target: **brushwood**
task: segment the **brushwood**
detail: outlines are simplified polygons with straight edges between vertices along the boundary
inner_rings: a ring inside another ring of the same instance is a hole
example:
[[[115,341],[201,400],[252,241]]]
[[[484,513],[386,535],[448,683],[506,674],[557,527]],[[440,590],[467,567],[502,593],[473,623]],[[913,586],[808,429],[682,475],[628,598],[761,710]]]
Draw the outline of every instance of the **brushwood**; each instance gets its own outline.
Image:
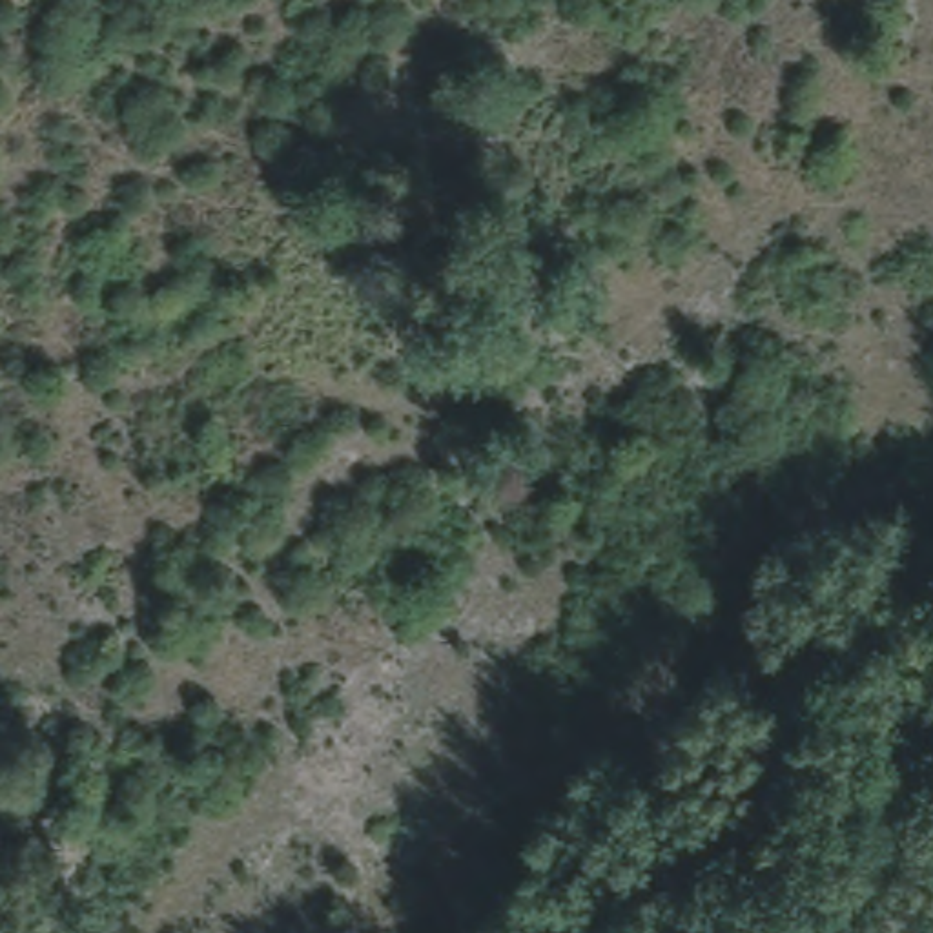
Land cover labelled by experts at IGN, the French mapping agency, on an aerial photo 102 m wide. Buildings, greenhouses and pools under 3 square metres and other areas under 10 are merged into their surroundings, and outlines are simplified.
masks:
[[[11,295],[18,295],[26,306],[44,306],[44,295],[69,295],[87,321],[106,321],[120,332],[131,332],[131,350],[109,354],[102,364],[95,364],[91,379],[84,383],[91,394],[102,397],[106,390],[120,386],[124,375],[146,364],[182,372],[179,383],[149,386],[131,397],[135,415],[128,419],[128,430],[113,430],[109,423],[91,426],[95,459],[102,467],[124,467],[135,474],[124,485],[124,499],[138,499],[146,488],[153,488],[157,499],[200,492],[200,518],[193,525],[175,528],[168,521],[146,521],[142,536],[153,543],[160,572],[171,569],[204,594],[211,594],[215,587],[248,587],[251,576],[262,576],[270,594],[284,605],[281,620],[266,620],[259,612],[255,620],[241,623],[255,641],[292,634],[302,620],[324,612],[332,598],[361,587],[364,572],[390,561],[394,550],[405,547],[430,554],[434,576],[452,569],[456,561],[474,561],[481,558],[488,532],[518,561],[521,572],[532,576],[550,565],[561,572],[565,594],[558,601],[554,627],[536,631],[510,652],[532,671],[569,674],[579,682],[587,678],[587,671],[579,667],[579,652],[594,641],[590,620],[598,612],[598,601],[623,598],[631,587],[652,587],[667,609],[678,609],[685,616],[711,612],[711,587],[685,554],[685,543],[692,536],[714,536],[714,525],[696,510],[703,496],[729,488],[729,481],[743,470],[773,467],[791,452],[809,448],[816,434],[842,437],[853,415],[853,375],[795,375],[795,354],[787,354],[791,339],[762,324],[758,317],[769,306],[780,306],[784,313],[791,313],[791,324],[798,328],[846,332],[846,310],[860,295],[860,288],[897,284],[915,299],[933,295],[933,251],[915,251],[900,266],[878,266],[867,251],[871,222],[835,219],[816,233],[827,241],[820,251],[798,251],[787,262],[769,262],[758,270],[758,281],[743,299],[733,295],[733,324],[703,324],[682,313],[678,306],[667,310],[663,317],[674,350],[663,361],[638,364],[612,390],[587,386],[583,415],[550,419],[547,437],[539,445],[547,448],[547,470],[539,477],[532,477],[528,470],[514,470],[499,492],[485,492],[481,485],[467,485],[459,477],[426,474],[415,456],[397,456],[386,463],[354,463],[343,481],[313,485],[310,514],[292,532],[284,503],[292,474],[317,474],[313,463],[332,445],[332,437],[350,430],[372,434],[383,423],[383,415],[364,405],[335,397],[306,397],[292,379],[255,379],[255,364],[248,364],[244,339],[237,332],[281,292],[270,281],[237,292],[215,288],[211,270],[222,259],[211,255],[208,237],[197,237],[179,251],[164,251],[168,266],[179,266],[179,288],[160,292],[157,299],[120,299],[117,306],[102,310],[106,281],[138,281],[153,273],[153,259],[142,251],[138,237],[128,237],[120,226],[80,244],[66,237],[66,226],[73,219],[95,208],[84,197],[87,164],[77,149],[80,128],[58,109],[44,113],[36,124],[40,149],[51,160],[51,171],[40,171],[47,190],[36,197],[18,197],[15,208],[4,208],[0,200],[0,277],[7,281]]]
[[[386,91],[397,77],[386,73],[386,55],[408,44],[419,22],[437,18],[456,22],[463,29],[477,29],[492,36],[496,51],[503,55],[507,44],[528,36],[539,26],[539,7],[532,0],[0,0],[0,69],[15,77],[18,69],[26,69],[26,77],[40,80],[44,95],[55,102],[73,98],[87,87],[87,113],[102,117],[98,138],[124,142],[135,153],[138,168],[160,164],[171,153],[179,153],[193,128],[204,120],[219,124],[222,131],[244,124],[251,160],[262,168],[288,138],[288,117],[310,124],[321,135],[332,131],[332,109],[324,91],[343,77],[361,84],[368,95]]]
[[[904,62],[900,33],[911,29],[911,15],[900,0],[882,0],[871,11],[871,22],[882,29],[882,36],[871,55],[856,58],[864,66],[867,84],[889,84]]]
[[[802,55],[780,73],[773,120],[751,124],[743,117],[733,128],[733,135],[736,142],[751,142],[751,149],[762,160],[773,164],[773,171],[802,175],[802,182],[809,182],[813,190],[835,197],[846,182],[853,182],[860,157],[856,149],[846,149],[838,142],[842,120],[820,117],[824,102],[816,95],[798,95],[805,80],[816,77],[813,55]]]
[[[645,33],[660,29],[663,22],[689,15],[714,18],[718,7],[729,15],[733,26],[762,22],[758,0],[587,0],[572,15],[576,29],[605,33],[620,47],[634,51],[645,40]]]
[[[58,408],[62,401],[62,372],[18,383],[0,372],[0,441],[18,441],[18,452],[29,463],[51,470],[55,456],[47,448],[58,441],[58,430],[51,408]]]

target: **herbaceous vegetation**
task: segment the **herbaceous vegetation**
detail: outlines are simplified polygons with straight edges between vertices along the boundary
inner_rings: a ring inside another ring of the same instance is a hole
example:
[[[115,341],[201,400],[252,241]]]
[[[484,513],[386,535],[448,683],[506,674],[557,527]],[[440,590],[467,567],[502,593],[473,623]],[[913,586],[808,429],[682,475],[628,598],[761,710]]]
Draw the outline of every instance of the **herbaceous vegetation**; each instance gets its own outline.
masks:
[[[15,813],[0,809],[0,860],[26,860],[29,849],[22,842]]]
[[[853,375],[853,415],[842,437],[816,434],[809,448],[791,452],[773,467],[743,470],[729,481],[729,488],[703,496],[696,510],[714,525],[714,536],[692,536],[685,543],[685,554],[711,587],[711,612],[685,616],[678,609],[667,609],[652,587],[631,587],[623,598],[598,601],[598,612],[590,620],[594,641],[579,652],[579,667],[587,671],[587,678],[579,682],[569,674],[532,671],[510,652],[536,631],[554,627],[558,601],[565,594],[561,572],[550,565],[532,576],[521,572],[518,561],[488,532],[481,558],[474,561],[474,583],[456,598],[456,620],[430,634],[423,645],[405,645],[401,634],[386,627],[383,609],[368,605],[368,594],[361,587],[332,598],[324,612],[302,620],[292,634],[255,641],[241,623],[255,620],[259,612],[266,620],[281,620],[284,605],[270,594],[262,576],[251,576],[248,587],[251,601],[241,601],[233,609],[233,623],[222,627],[222,638],[211,656],[168,663],[157,652],[160,638],[149,641],[135,631],[135,587],[128,572],[128,554],[142,536],[146,521],[168,521],[175,528],[193,525],[200,518],[200,492],[157,499],[153,488],[146,488],[138,499],[124,499],[124,485],[135,474],[124,467],[102,467],[95,459],[91,426],[109,423],[113,430],[128,430],[128,419],[135,415],[131,397],[149,386],[179,383],[182,372],[146,364],[124,375],[120,386],[106,390],[102,397],[91,394],[84,383],[91,379],[95,364],[102,364],[109,354],[131,350],[131,332],[120,332],[106,321],[87,321],[69,295],[44,295],[44,306],[26,306],[18,295],[11,295],[7,281],[0,277],[0,372],[18,383],[62,372],[62,401],[58,408],[51,408],[58,430],[58,441],[47,448],[55,456],[51,470],[29,463],[18,452],[18,441],[0,441],[0,769],[11,773],[22,762],[22,754],[51,751],[58,743],[95,740],[102,747],[120,747],[131,736],[160,743],[171,762],[193,765],[219,758],[241,765],[255,762],[262,769],[237,820],[193,816],[190,838],[175,849],[175,867],[146,886],[153,907],[138,911],[135,904],[128,904],[124,915],[131,915],[131,926],[149,933],[463,933],[467,904],[474,893],[488,893],[492,867],[514,835],[514,813],[536,791],[532,776],[543,765],[554,765],[590,729],[645,725],[660,707],[674,703],[703,674],[725,667],[743,674],[762,671],[754,645],[747,641],[747,620],[733,609],[729,587],[733,579],[740,579],[747,550],[765,525],[787,521],[795,514],[827,510],[831,503],[849,496],[867,499],[893,488],[933,492],[933,295],[915,299],[897,284],[860,288],[860,295],[846,310],[846,332],[798,328],[791,324],[791,313],[784,313],[780,306],[769,306],[758,317],[762,324],[791,339],[787,354],[795,354],[795,375]]]
[[[397,456],[415,456],[426,474],[459,477],[481,459],[492,434],[528,434],[539,445],[547,437],[550,419],[583,415],[587,386],[612,390],[638,364],[663,361],[674,350],[663,317],[667,310],[678,306],[682,313],[703,324],[733,324],[733,295],[743,299],[758,281],[758,270],[769,262],[787,262],[798,251],[820,251],[827,241],[816,233],[835,219],[871,222],[867,251],[878,266],[900,266],[915,251],[933,251],[933,0],[900,0],[911,15],[911,29],[900,33],[904,62],[889,84],[867,84],[864,66],[856,58],[871,55],[882,36],[882,29],[871,22],[871,11],[882,0],[758,0],[762,22],[733,26],[729,15],[718,7],[714,18],[689,15],[663,22],[660,29],[645,33],[645,40],[634,51],[638,58],[674,66],[682,73],[678,84],[692,135],[678,138],[674,153],[692,164],[696,208],[707,222],[700,255],[682,270],[656,270],[649,259],[638,259],[638,266],[623,273],[620,262],[605,255],[612,310],[605,321],[612,328],[612,343],[598,346],[587,335],[579,361],[583,372],[528,394],[518,408],[510,397],[496,390],[430,394],[415,386],[408,394],[397,394],[379,386],[372,375],[379,361],[397,357],[401,335],[372,335],[354,328],[354,281],[328,270],[328,248],[310,244],[306,230],[295,226],[295,211],[277,204],[281,193],[292,193],[288,179],[295,171],[306,171],[313,157],[335,157],[346,164],[364,146],[405,142],[419,149],[445,146],[448,153],[459,153],[467,146],[485,146],[488,135],[448,120],[437,109],[434,91],[445,77],[477,73],[507,58],[507,66],[539,69],[539,87],[558,95],[561,87],[583,87],[590,73],[609,69],[620,47],[605,33],[576,29],[572,15],[587,0],[532,0],[539,7],[539,26],[528,36],[507,44],[503,55],[496,51],[492,36],[477,29],[463,29],[456,22],[437,18],[419,22],[408,44],[386,55],[386,73],[397,77],[386,91],[368,95],[361,84],[343,77],[324,91],[332,109],[332,131],[321,135],[310,124],[288,117],[288,138],[262,168],[251,160],[244,124],[222,131],[219,124],[204,120],[193,128],[179,153],[171,153],[160,164],[138,168],[135,153],[124,142],[98,138],[102,117],[87,113],[87,87],[73,98],[55,102],[44,95],[40,80],[26,77],[26,69],[18,69],[15,77],[0,69],[0,200],[4,208],[15,208],[18,197],[36,197],[47,190],[40,171],[51,171],[51,160],[40,149],[36,124],[44,113],[58,109],[80,128],[77,149],[87,164],[84,197],[95,208],[73,219],[66,226],[66,237],[80,244],[120,226],[128,237],[138,237],[142,251],[153,259],[153,273],[138,281],[106,281],[102,310],[117,306],[120,299],[157,299],[160,292],[179,288],[179,266],[168,266],[164,251],[179,251],[197,237],[208,237],[211,255],[222,259],[211,270],[215,288],[237,292],[270,281],[281,292],[237,332],[244,339],[248,364],[255,364],[255,379],[292,379],[306,397],[335,397],[364,405],[383,415],[383,423],[372,434],[350,430],[332,437],[332,445],[313,463],[317,474],[292,474],[284,503],[292,532],[310,514],[313,485],[343,481],[354,463],[386,463]],[[820,117],[842,120],[838,142],[846,149],[856,149],[860,157],[853,182],[846,182],[835,197],[813,190],[809,182],[802,182],[802,175],[773,171],[773,164],[762,160],[751,149],[751,142],[736,142],[733,135],[733,128],[743,117],[751,124],[773,120],[780,73],[802,55],[813,55],[816,77],[805,80],[798,95],[816,95],[824,102]]]

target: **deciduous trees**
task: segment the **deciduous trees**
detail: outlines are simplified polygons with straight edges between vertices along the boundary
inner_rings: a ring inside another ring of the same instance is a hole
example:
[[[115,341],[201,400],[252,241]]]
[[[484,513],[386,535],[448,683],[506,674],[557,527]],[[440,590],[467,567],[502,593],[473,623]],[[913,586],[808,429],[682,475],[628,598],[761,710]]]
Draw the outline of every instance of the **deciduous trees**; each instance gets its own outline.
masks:
[[[456,598],[474,583],[474,561],[456,561],[452,569],[434,576],[430,554],[405,547],[394,550],[390,561],[364,572],[361,587],[368,594],[368,605],[383,609],[386,627],[401,634],[405,645],[423,645],[430,634],[456,620]]]
[[[481,485],[485,492],[499,492],[514,470],[528,470],[532,477],[539,477],[547,470],[547,448],[539,445],[528,434],[492,434],[481,459],[459,477],[467,485]]]
[[[397,357],[379,361],[372,375],[379,386],[397,394],[408,394],[415,386],[430,394],[496,390],[510,397],[518,408],[528,394],[583,372],[579,361],[587,335],[598,346],[612,343],[612,328],[605,321],[612,310],[605,255],[620,262],[623,273],[638,266],[638,259],[649,259],[656,270],[682,270],[700,255],[707,222],[696,208],[692,164],[674,153],[678,138],[692,135],[678,84],[682,73],[674,66],[638,58],[634,51],[620,47],[609,69],[590,73],[583,87],[561,87],[558,95],[539,87],[539,69],[507,66],[507,58],[477,73],[445,77],[434,91],[437,109],[448,120],[488,135],[485,146],[467,146],[459,153],[448,153],[445,146],[419,149],[405,142],[364,146],[346,164],[335,157],[313,157],[306,171],[295,171],[288,179],[292,193],[281,193],[277,204],[295,211],[295,226],[306,230],[310,244],[328,248],[328,270],[354,281],[354,328],[372,335],[401,335]]]
[[[131,926],[131,915],[124,915],[128,904],[135,904],[138,911],[153,907],[146,886],[175,867],[175,849],[190,838],[193,816],[237,820],[262,769],[255,762],[241,765],[219,758],[193,765],[171,762],[160,743],[131,736],[120,747],[102,747],[95,740],[58,743],[51,751],[22,754],[22,762],[11,773],[0,769],[0,809],[15,813],[22,842],[29,849],[26,860],[0,860],[0,933],[149,933]]]
[[[211,656],[222,638],[222,627],[233,623],[233,609],[241,601],[251,601],[248,587],[215,587],[211,594],[204,594],[171,569],[160,572],[153,543],[142,536],[128,554],[128,572],[135,587],[135,631],[149,641],[160,638],[157,652],[168,663]]]

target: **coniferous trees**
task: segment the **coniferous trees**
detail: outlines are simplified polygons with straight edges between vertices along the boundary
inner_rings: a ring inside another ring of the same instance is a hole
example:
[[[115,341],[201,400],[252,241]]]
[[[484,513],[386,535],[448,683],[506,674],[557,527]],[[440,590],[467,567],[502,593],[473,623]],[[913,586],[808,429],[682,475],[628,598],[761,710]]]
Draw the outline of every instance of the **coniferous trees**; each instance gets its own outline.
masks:
[[[831,503],[827,510],[795,514],[787,521],[765,525],[747,550],[740,579],[733,579],[729,587],[733,609],[747,620],[747,641],[754,645],[762,671],[743,674],[725,667],[703,674],[674,703],[660,707],[645,725],[590,729],[554,765],[543,765],[532,776],[536,791],[514,813],[514,835],[492,867],[488,893],[474,893],[467,904],[463,933],[933,933],[933,492],[893,488],[867,499],[849,496]]]

